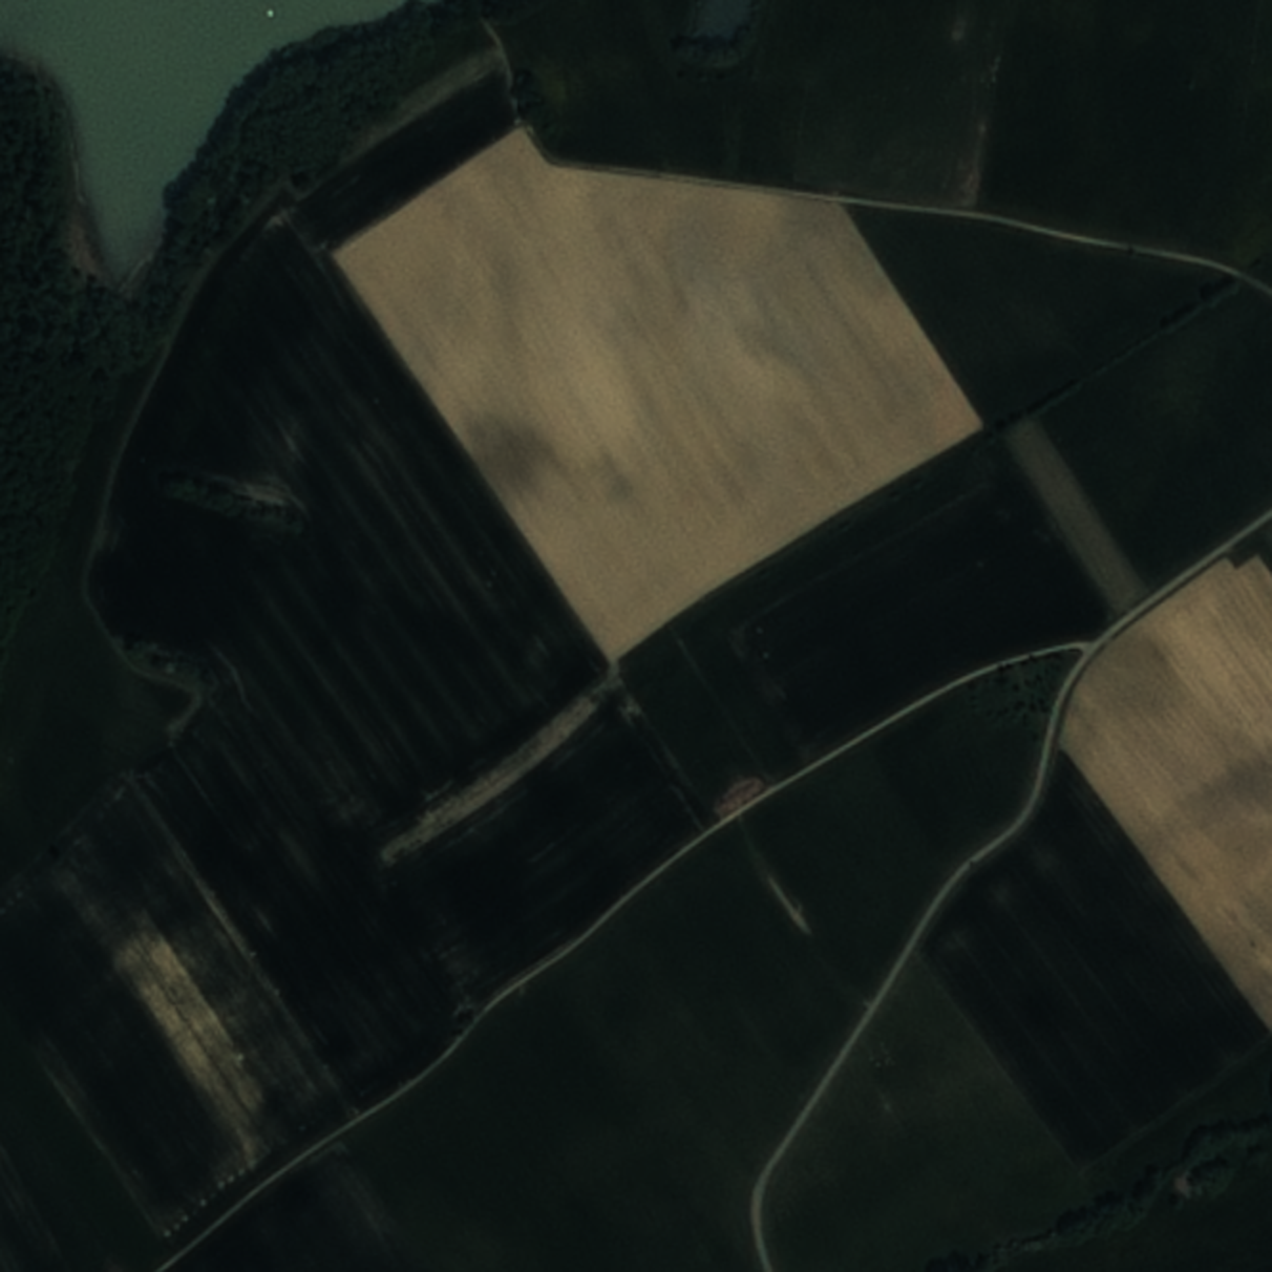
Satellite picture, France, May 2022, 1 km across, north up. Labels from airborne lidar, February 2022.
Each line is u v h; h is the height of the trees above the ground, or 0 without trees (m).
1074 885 0
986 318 0
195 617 0
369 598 0
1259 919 0
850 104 0
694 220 0
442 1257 0
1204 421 0
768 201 0
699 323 0
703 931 0
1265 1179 0
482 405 0
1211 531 0
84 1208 0
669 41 0
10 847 0
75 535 0
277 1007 0
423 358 0
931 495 0
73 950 0
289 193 0
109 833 0
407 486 0
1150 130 0
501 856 0
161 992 0
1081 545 0
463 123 0
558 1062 0
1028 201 0
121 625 0
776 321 0
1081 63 0
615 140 0
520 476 0
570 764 0
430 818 0
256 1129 0
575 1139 0
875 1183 0
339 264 0
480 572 0
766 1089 0
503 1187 0
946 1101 0
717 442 0
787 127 0
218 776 0
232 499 11
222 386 0
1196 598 0
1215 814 0
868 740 0
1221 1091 0
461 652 0
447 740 0
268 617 0
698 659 0
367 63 24
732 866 0
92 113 0
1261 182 0
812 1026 0
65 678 0
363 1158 0
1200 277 0
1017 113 0
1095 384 0
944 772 0
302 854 0
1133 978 0
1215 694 0
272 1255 0
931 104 0
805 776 0
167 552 0
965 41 0
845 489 0
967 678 0
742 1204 0
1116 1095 0
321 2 0
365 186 0
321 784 0
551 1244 0
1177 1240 0
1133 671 0
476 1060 0
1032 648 0
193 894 0
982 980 0
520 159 0
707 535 0
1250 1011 0
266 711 0
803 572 0
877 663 0
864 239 0
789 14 0
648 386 0
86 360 19
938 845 0
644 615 0
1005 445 0
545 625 0
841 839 0
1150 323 0
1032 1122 0
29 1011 0
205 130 0
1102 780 0
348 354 0
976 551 0
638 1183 0
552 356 0
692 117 0
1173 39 0
